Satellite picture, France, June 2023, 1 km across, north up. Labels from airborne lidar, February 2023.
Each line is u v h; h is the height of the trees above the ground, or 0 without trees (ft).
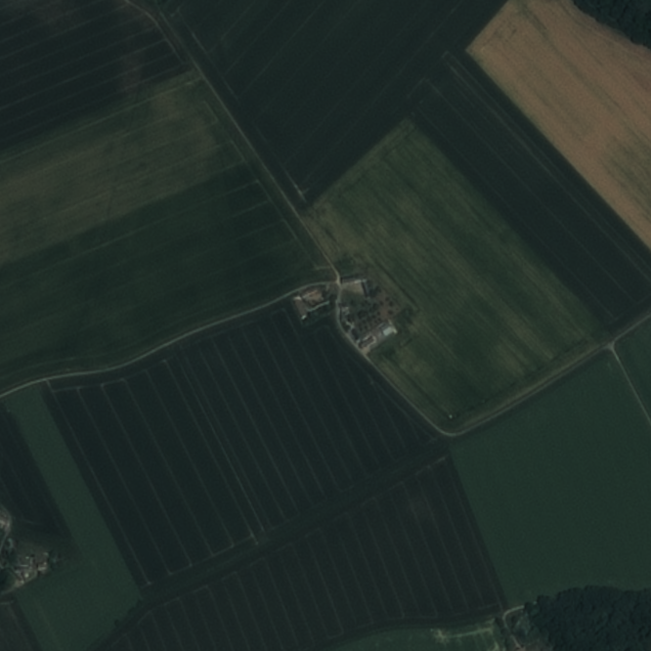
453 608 0
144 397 0
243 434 0
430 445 0
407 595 0
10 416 0
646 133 0
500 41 0
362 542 0
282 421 0
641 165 0
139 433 0
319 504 0
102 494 0
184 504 0
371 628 0
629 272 0
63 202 0
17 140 0
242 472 0
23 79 0
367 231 0
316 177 0
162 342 0
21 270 0
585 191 0
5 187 0
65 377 0
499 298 0
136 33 0
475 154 0
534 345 0
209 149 0
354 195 0
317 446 0
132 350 0
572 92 0
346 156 0
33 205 0
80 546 0
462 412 0
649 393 0
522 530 0
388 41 0
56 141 0
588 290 0
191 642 0
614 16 64
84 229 0
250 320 0
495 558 0
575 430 0
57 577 0
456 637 0
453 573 0
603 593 62
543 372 0
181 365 0
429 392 0
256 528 0
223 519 0
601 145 0
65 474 0
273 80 0
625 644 81
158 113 0
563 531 0
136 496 0
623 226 0
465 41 0
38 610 0
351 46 0
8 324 0
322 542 0
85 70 0
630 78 0
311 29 0
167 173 0
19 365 0
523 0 0
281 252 0
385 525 0
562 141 0
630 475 0
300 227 0
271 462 0
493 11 0
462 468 0
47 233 0
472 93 0
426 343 0
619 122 0
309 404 0
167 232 0
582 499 0
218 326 0
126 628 0
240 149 0
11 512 0
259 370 0
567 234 0
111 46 0
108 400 0
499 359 0
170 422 0
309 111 0
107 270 0
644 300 0
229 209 0
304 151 0
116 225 0
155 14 0
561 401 0
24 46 0
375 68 0
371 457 0
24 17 0
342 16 0
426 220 0
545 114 0
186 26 0
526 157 0
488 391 0
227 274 0
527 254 0
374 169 0
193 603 0
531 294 0
